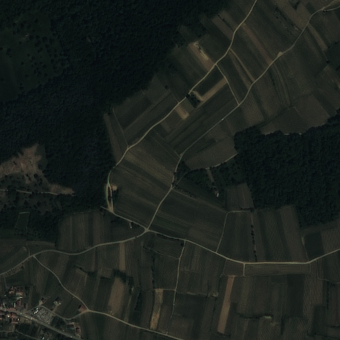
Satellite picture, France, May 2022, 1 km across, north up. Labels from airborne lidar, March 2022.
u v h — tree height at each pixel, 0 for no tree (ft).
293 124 0
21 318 0
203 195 0
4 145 66
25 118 74
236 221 0
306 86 0
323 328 0
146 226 0
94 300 0
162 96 0
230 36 0
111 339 0
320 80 0
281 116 0
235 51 0
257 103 0
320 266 0
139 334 0
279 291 0
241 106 0
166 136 0
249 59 0
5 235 0
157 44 66
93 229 0
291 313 0
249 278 0
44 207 0
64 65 55
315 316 0
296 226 0
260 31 0
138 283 0
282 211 0
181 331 0
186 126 0
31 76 0
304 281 0
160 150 0
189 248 0
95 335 0
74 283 0
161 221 0
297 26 0
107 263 0
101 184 40
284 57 0
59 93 81
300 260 0
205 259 0
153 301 0
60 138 45
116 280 0
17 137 68
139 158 0
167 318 0
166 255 0
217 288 0
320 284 0
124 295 0
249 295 0
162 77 0
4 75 0
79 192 51
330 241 0
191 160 0
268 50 0
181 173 30
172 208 0
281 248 0
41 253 0
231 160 0
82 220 0
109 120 0
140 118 0
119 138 0
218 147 0
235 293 0
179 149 0
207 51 0
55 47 0
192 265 0
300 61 0
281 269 0
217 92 0
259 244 0
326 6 0
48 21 0
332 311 0
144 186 0
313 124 0
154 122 0
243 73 0
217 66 0
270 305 0
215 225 0
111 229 0
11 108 67
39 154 0
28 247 0
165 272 0
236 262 0
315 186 62
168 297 0
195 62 0
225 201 0
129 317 0
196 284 0
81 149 51
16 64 0
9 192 26
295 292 0
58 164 55
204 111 0
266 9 0
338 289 0
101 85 78
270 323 0
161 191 0
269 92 0
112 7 76
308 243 0
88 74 85
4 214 43
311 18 0
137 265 0
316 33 0
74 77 82
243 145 70
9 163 0
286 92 0
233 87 0
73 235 0
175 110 0
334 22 0
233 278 0
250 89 0
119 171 0
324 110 0
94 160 65
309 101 0
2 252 0
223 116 0
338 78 0
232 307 0
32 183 0
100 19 76
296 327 0
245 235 0
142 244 0
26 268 0
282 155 65
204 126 0
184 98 0
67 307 0
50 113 65
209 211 0
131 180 0
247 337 0
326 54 0
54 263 0
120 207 0
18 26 0
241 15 0
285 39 0
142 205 0
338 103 0
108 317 0
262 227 0
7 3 73
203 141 0
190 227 0
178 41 30
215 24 0
